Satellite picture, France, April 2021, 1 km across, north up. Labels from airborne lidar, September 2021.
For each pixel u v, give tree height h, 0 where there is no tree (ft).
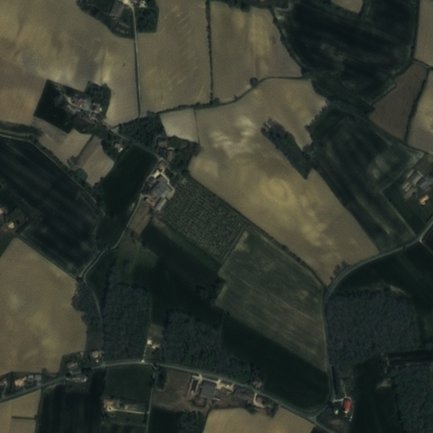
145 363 0
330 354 48
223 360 72
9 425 0
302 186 0
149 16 48
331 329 49
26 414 0
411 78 0
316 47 0
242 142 0
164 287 0
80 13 0
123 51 0
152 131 26
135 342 66
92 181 0
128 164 0
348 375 41
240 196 0
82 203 0
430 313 0
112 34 0
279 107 0
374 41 0
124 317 65
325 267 0
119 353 53
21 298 0
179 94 0
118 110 0
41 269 0
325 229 0
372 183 0
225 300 0
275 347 0
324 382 0
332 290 0
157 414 0
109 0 0
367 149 0
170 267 20
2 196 0
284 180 0
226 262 0
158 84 0
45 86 0
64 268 0
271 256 0
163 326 0
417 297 0
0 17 0
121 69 0
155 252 0
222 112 0
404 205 0
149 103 0
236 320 0
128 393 0
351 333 75
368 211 0
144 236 0
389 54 0
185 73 0
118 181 0
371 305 81
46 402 0
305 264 26
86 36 0
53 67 0
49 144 0
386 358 0
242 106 0
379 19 0
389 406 0
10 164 0
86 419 0
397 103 0
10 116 0
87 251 0
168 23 0
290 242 0
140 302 75
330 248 0
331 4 39
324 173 0
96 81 0
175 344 64
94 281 0
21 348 0
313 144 26
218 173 0
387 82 0
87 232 0
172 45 0
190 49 0
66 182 0
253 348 0
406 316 85
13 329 0
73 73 0
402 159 0
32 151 0
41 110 0
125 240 0
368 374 0
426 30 0
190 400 0
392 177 0
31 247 0
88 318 50
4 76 0
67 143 0
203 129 0
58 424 0
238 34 0
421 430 79
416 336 76
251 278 0
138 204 0
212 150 0
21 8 0
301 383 0
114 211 0
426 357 0
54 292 0
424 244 0
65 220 0
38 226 0
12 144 0
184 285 0
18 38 0
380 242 0
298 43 0
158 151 29
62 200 0
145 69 0
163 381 75
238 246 0
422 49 0
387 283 0
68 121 0
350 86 0
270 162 0
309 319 0
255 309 0
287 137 50
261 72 0
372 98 0
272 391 0
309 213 0
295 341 0
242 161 0
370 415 0
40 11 0
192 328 77
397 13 0
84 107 0
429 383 68
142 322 73
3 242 0
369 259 0
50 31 0
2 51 0
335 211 0
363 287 0
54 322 0
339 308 72
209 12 39
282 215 0
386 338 72
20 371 0
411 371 56
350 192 0
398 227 0
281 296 0
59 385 0
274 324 0
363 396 0
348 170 0
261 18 0
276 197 0
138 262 0
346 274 0
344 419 0
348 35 0
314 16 0
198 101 0
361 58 0
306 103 0
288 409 0
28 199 0
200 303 0
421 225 0
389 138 0
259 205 0
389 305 76
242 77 0
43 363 0
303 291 0
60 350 0
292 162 55
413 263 0
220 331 61
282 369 0
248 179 0
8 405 0
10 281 0
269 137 42
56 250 0
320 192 0
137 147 0
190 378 0
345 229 0
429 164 0
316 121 39
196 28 0
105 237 0
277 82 0
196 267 0
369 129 0
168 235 0
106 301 62
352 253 0
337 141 0
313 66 0
